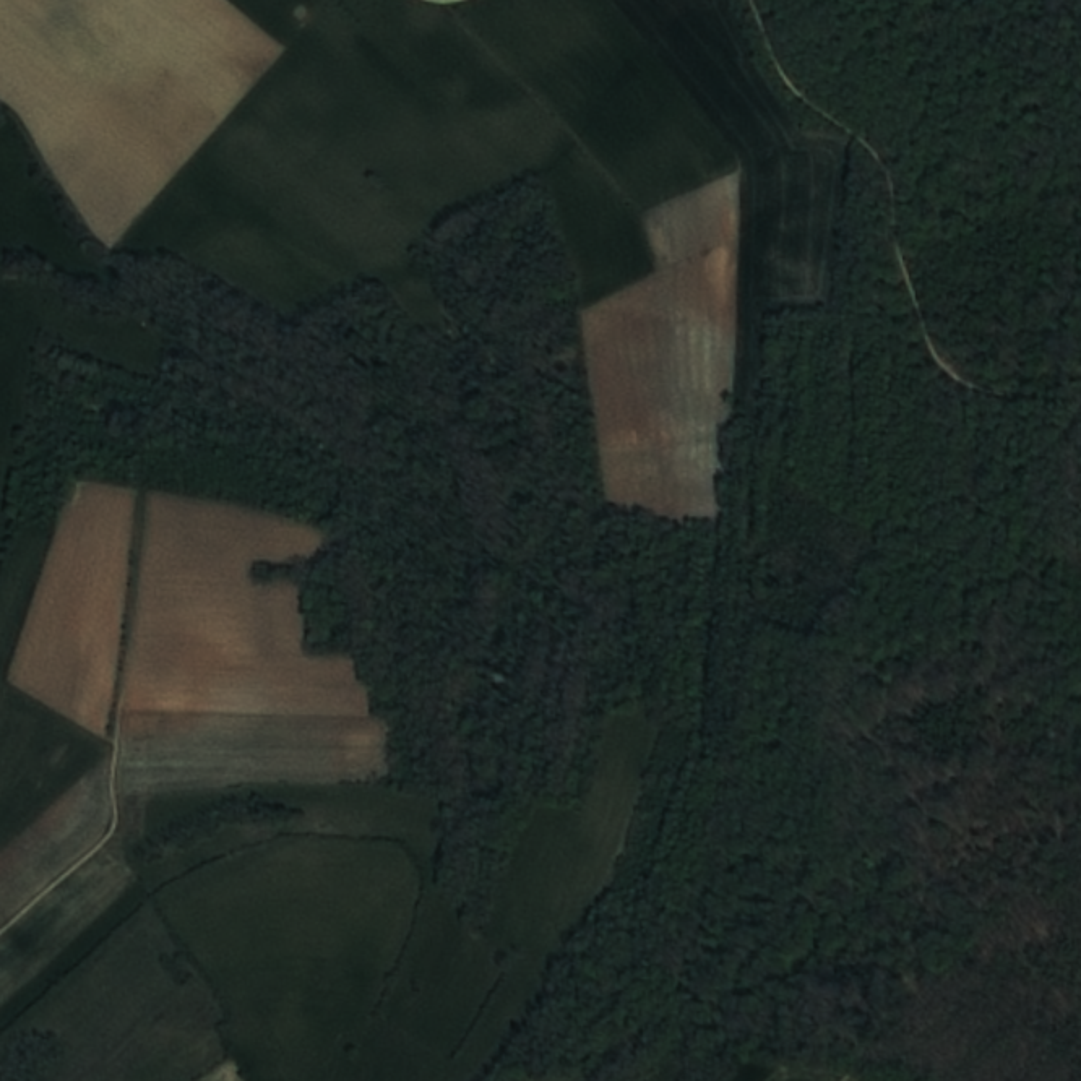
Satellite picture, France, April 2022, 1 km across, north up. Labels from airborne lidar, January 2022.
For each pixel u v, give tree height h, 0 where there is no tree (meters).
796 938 26
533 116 0
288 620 0
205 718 0
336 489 17
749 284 0
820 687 26
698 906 30
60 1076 0
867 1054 25
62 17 0
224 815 14
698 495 0
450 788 20
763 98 0
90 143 0
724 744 16
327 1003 0
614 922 18
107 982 0
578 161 0
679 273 0
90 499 0
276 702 0
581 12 0
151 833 0
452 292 10
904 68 22
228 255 0
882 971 14
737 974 28
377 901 0
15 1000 0
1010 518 27
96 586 0
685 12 0
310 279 0
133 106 0
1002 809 11
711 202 0
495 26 0
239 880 0
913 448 21
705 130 0
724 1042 28
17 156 0
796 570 7
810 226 0
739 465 18
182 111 0
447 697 28
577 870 0
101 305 24
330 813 0
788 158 0
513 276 25
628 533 24
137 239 0
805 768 24
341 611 19
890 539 26
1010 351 10
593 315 0
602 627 34
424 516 32
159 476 7
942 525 27
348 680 0
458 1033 0
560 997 15
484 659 23
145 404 8
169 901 0
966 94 21
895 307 25
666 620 21
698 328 0
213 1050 0
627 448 0
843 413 18
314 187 0
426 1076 0
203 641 0
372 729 0
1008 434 28
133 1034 0
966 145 24
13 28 0
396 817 0
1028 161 26
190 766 0
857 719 27
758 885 27
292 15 0
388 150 0
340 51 0
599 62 0
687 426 0
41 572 0
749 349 0
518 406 28
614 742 0
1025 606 30
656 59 0
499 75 0
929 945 28
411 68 0
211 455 11
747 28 11
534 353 27
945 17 21
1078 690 26
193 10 0
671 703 13
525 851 0
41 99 0
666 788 12
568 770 21
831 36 26
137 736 0
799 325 11
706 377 0
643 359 0
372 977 0
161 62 0
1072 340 26
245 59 0
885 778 29
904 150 20
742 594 19
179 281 23
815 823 24
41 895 0
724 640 22
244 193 0
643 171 0
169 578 0
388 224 0
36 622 0
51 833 0
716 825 24
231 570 0
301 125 0
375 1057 0
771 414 19
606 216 0
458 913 12
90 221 0
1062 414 25
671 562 17
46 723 0
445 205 0
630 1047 0
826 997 31
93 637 0
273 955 0
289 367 22
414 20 0
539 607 10
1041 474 30
